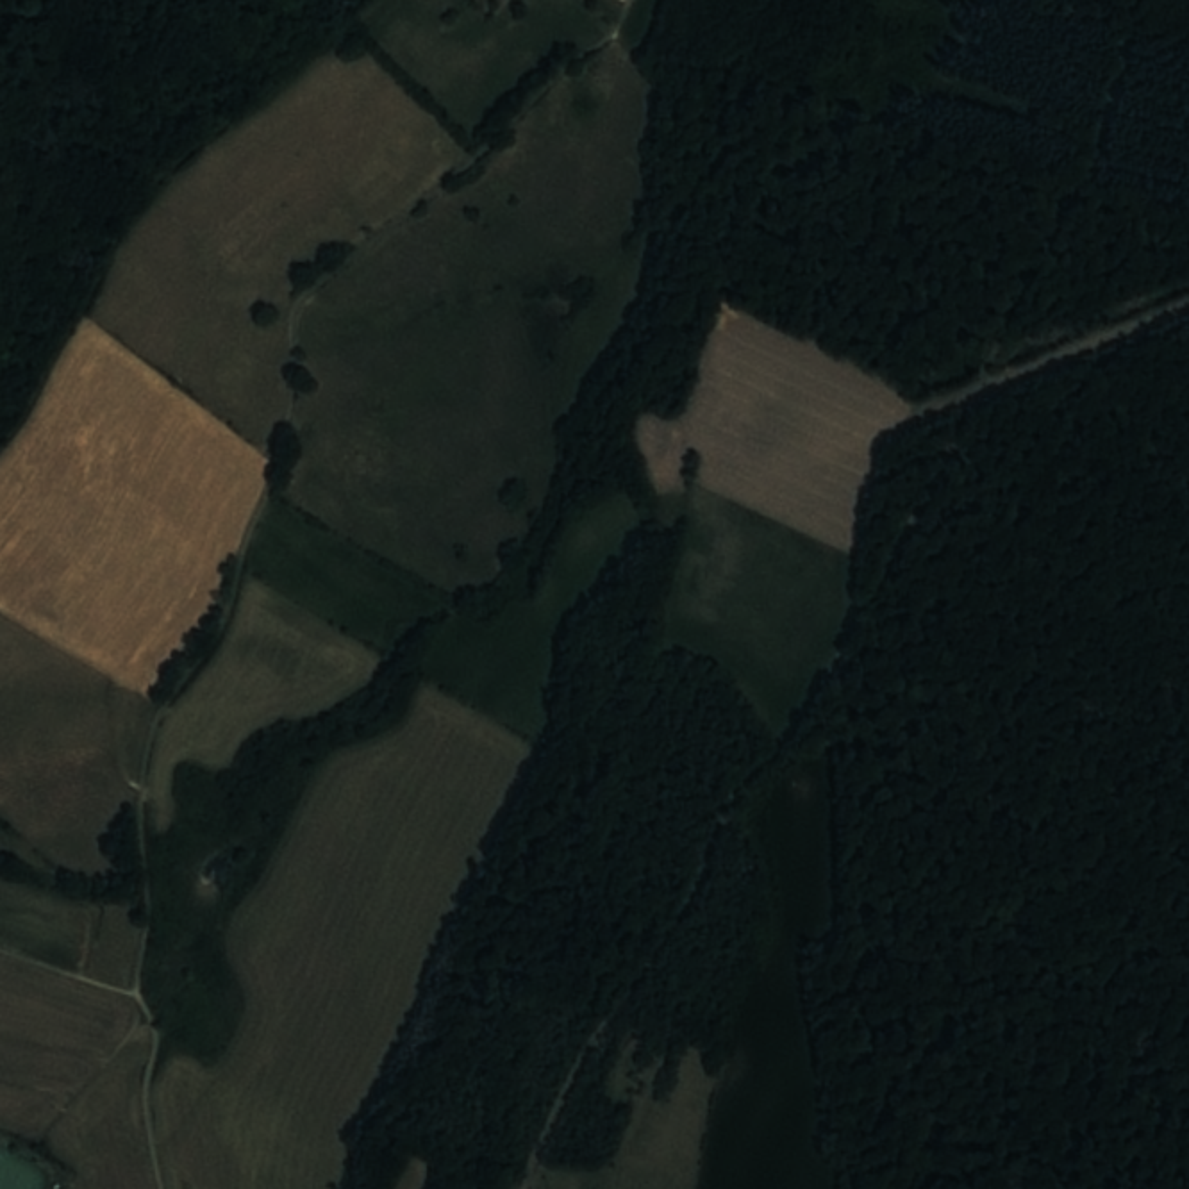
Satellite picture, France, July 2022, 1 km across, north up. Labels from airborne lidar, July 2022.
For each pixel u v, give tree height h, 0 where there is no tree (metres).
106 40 17
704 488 0
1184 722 27
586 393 14
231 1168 0
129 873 17
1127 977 27
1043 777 26
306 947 0
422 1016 18
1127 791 25
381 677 14
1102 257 24
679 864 17
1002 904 22
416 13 0
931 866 29
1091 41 27
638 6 0
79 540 0
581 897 19
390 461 0
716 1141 0
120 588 0
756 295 28
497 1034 12
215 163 0
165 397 0
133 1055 0
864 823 24
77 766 0
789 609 0
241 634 0
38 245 26
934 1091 28
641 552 24
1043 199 25
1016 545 26
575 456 12
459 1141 7
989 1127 30
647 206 15
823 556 0
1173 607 22
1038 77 23
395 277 0
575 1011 16
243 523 0
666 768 16
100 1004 0
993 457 29
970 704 28
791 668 0
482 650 0
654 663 20
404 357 0
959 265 28
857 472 0
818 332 20
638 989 15
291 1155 0
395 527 0
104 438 0
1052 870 31
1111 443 27
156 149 13
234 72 25
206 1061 0
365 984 0
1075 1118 27
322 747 17
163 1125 0
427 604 0
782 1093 0
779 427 0
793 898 0
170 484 0
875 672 25
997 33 28
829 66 18
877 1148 22
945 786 29
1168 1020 28
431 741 0
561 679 17
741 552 0
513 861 24
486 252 0
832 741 24
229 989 0
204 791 0
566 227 0
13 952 0
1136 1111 32
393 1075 18
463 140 11
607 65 0
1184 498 25
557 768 24
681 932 20
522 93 14
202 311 0
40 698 0
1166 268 21
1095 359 10
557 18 0
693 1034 18
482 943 17
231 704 0
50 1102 0
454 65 0
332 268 17
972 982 25
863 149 28
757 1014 0
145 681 0
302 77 0
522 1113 16
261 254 0
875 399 0
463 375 0
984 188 29
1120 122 26
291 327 0
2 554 0
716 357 0
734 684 12
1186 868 27
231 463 0
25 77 25
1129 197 25
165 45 16
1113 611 22
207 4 19
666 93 20
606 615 22
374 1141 26
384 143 0
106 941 0
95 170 25
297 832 0
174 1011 0
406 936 0
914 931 24
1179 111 29
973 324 30
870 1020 29
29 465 0
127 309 0
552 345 0
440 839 0
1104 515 23
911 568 26
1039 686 28
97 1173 0
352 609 0
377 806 0
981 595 30
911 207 31
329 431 0
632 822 20
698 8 13
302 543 0
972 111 28
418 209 6
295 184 0
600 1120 15
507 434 0
